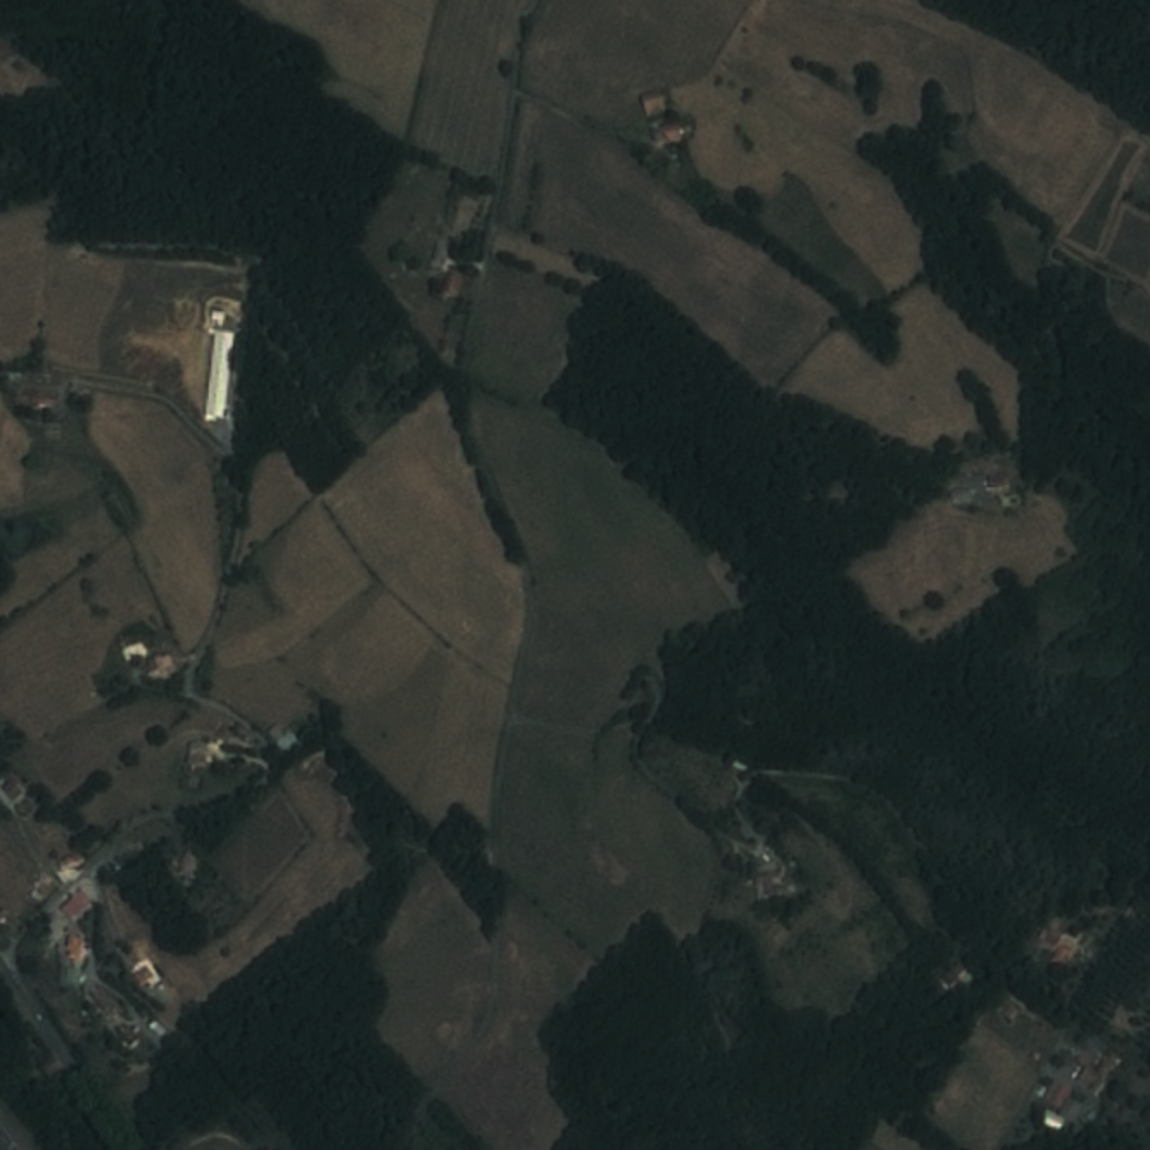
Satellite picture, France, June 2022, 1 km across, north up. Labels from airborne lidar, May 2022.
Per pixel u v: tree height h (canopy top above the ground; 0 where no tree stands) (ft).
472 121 0
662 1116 63
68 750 0
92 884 0
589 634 0
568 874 0
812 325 0
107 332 0
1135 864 79
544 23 0
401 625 0
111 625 0
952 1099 0
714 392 44
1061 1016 47
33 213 0
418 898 0
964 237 69
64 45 61
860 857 40
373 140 66
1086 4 72
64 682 0
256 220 74
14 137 38
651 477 47
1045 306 67
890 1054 61
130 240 34
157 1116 66
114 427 0
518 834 0
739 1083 35
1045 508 0
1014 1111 0
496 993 0
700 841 0
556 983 0
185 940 58
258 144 86
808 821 28
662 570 0
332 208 77
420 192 0
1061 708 54
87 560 20
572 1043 35
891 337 58
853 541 47
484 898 51
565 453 0
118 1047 45
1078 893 75
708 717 45
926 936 32
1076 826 70
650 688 33
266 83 89
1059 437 65
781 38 0
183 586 0
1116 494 58
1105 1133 36
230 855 0
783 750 27
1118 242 0
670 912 0
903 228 0
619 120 0
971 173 37
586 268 56
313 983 78
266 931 0
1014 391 0
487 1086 0
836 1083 27
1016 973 62
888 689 61
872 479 51
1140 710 35
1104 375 60
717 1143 40
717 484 65
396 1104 41
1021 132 0
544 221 0
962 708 59
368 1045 45
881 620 45
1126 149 0
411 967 0
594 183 0
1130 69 53
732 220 60
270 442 31
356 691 0
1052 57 50
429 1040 0
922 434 0
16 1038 47
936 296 32
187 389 0
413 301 0
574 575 0
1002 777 73
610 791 0
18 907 0
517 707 0
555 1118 0
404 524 0
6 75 0
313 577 0
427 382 36
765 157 0
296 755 51
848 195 0
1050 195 0
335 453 42
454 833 49
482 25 0
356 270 66
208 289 0
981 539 0
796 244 0
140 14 19
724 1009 33
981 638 69
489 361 0
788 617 89
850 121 0
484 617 0
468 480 0
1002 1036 0
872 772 33
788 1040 46
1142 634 38
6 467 0
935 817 53
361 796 33
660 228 0
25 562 0
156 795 0
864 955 0
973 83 0
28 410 29
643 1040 37
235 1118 33
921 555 0
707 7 0
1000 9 71
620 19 0
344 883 0
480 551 0
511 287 0
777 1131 39
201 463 0
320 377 43
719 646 66
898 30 0
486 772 0
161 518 0
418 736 0
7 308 0
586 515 0
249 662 0
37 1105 26
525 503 0
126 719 0
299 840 0
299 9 0
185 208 62
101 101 22
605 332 76
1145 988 85
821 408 47
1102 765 33
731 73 0
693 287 0
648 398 82
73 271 0
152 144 65
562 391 56
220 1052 77
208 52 87
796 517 51
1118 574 33
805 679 52
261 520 0
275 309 47
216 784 0
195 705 25
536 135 0
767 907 30
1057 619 0
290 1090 32
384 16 0
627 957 42
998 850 39
